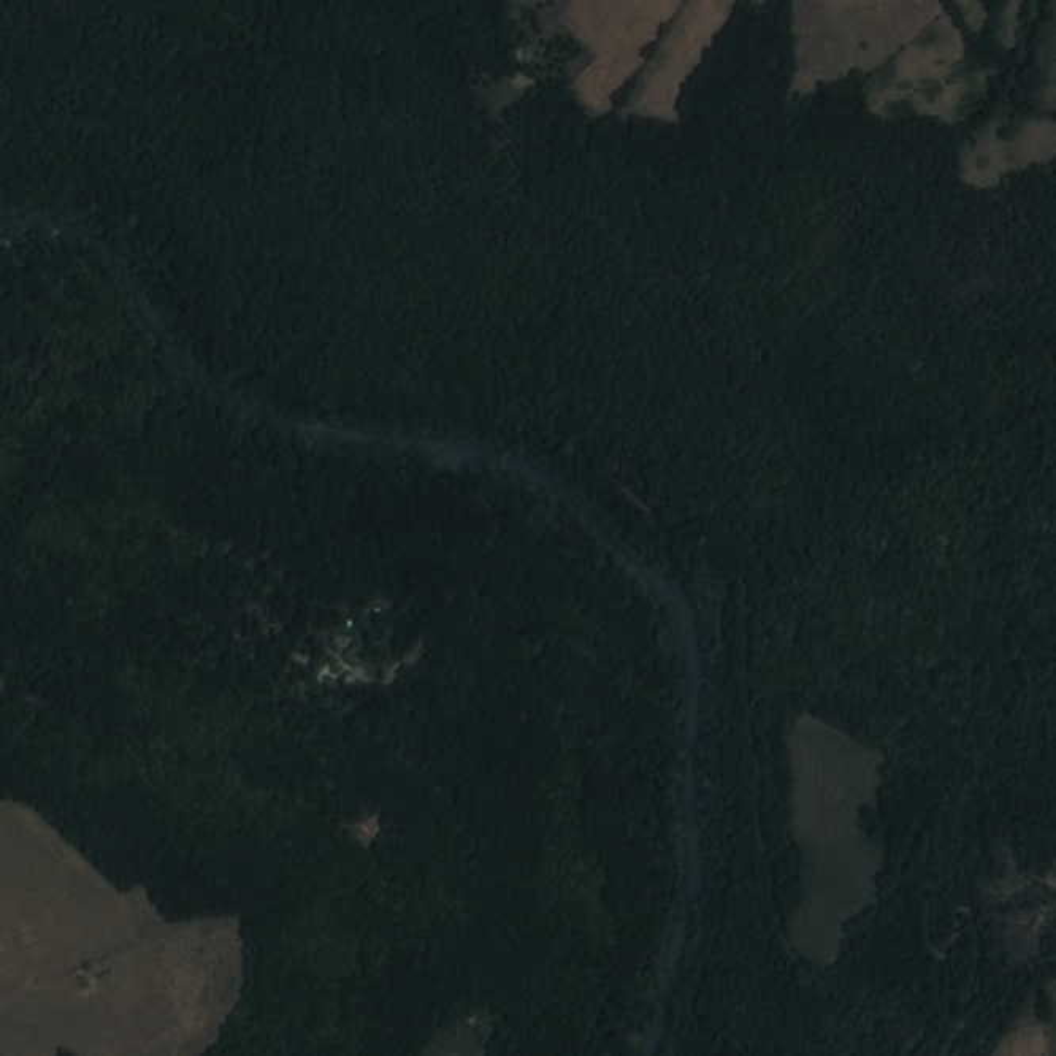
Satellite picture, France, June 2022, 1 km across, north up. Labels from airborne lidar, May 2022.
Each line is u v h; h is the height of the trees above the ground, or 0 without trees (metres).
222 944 0
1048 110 0
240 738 16
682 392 15
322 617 17
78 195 11
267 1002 17
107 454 21
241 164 17
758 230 12
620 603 19
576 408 19
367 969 13
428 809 23
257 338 13
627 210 14
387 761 18
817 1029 15
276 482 26
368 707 13
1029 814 19
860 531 15
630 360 18
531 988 16
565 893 14
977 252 9
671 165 19
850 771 0
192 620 18
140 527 12
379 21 20
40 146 9
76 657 23
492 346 18
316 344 6
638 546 28
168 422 30
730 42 16
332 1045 20
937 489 11
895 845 21
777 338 18
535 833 21
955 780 21
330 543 22
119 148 16
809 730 0
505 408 24
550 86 12
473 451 0
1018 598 11
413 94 18
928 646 16
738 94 18
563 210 15
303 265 20
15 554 23
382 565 25
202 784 13
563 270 17
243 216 15
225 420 21
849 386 19
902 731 14
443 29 21
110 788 15
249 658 9
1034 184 14
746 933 10
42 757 15
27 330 23
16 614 20
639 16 0
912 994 18
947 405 15
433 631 14
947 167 16
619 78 0
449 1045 0
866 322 14
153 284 9
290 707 19
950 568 14
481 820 20
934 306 15
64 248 15
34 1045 0
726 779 22
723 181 12
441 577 26
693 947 14
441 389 15
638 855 34
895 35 0
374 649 11
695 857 0
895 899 13
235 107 27
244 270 17
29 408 18
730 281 18
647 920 16
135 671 18
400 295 11
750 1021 19
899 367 9
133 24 15
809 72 0
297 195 18
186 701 17
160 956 0
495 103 0
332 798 15
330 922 15
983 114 14
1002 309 14
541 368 20
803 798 0
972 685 26
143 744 17
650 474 23
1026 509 18
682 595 0
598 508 14
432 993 18
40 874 0
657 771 17
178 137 15
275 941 16
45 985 0
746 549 26
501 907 22
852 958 16
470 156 14
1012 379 14
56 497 17
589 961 26
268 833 14
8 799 16
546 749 21
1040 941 23
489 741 21
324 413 12
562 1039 28
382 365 15
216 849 13
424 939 19
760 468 14
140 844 18
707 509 20
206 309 11
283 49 21
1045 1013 16
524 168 12
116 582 16
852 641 12
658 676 29
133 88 11
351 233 18
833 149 13
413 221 18
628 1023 24
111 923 0
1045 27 13
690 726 0
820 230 7
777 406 17
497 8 8
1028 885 18
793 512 9
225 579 17
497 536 21
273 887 14
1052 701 26
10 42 17
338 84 15
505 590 21
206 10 20
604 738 19
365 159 16
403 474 23
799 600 14
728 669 23
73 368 21
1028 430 17
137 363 26
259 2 23
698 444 15
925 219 14
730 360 16
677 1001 28
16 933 0
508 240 15
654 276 14
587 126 15
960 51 0
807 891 6
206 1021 0
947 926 16
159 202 20
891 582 15
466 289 8
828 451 12
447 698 7
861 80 9
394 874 17
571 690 19
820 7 0
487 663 20
